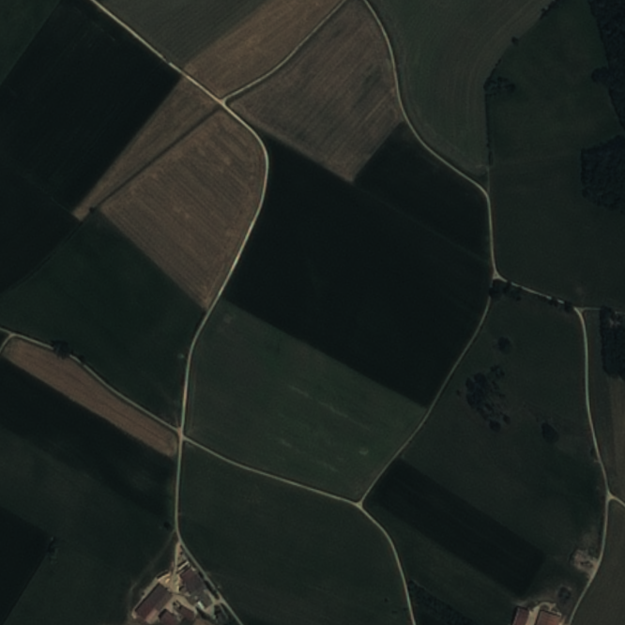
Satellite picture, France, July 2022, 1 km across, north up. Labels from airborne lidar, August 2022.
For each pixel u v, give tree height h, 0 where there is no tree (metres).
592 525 0
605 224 0
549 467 0
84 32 0
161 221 0
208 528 0
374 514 0
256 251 0
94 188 0
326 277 0
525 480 0
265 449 0
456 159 0
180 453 0
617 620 0
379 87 0
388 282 0
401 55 0
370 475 0
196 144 0
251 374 0
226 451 0
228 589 0
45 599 0
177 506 0
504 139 0
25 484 0
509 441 0
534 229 0
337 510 0
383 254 0
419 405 0
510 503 0
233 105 0
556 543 0
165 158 0
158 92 0
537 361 0
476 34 0
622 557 0
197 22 0
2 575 0
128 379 0
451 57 0
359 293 0
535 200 0
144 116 0
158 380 0
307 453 0
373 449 0
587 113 0
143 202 0
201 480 0
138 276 0
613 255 0
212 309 0
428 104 0
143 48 0
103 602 0
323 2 0
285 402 0
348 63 0
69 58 0
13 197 0
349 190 0
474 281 0
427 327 0
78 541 0
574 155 0
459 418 0
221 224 0
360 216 0
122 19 0
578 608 0
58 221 0
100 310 0
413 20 0
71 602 0
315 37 0
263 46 0
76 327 0
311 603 0
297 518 0
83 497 0
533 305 0
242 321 0
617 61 20
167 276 0
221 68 0
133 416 0
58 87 0
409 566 0
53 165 0
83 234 0
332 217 0
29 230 0
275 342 0
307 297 0
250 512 0
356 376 0
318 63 0
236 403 0
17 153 0
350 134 0
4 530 0
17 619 0
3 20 0
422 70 0
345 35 0
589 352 0
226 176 0
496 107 0
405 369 0
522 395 0
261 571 0
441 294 0
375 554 0
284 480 0
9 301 0
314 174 0
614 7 23
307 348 0
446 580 0
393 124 0
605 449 0
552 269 0
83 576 0
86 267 0
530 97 0
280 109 0
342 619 0
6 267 0
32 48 0
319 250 0
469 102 0
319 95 0
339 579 0
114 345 0
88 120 0
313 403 0
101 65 0
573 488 0
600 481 0
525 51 0
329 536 0
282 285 0
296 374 0
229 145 0
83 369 0
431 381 0
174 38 0
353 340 0
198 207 0
